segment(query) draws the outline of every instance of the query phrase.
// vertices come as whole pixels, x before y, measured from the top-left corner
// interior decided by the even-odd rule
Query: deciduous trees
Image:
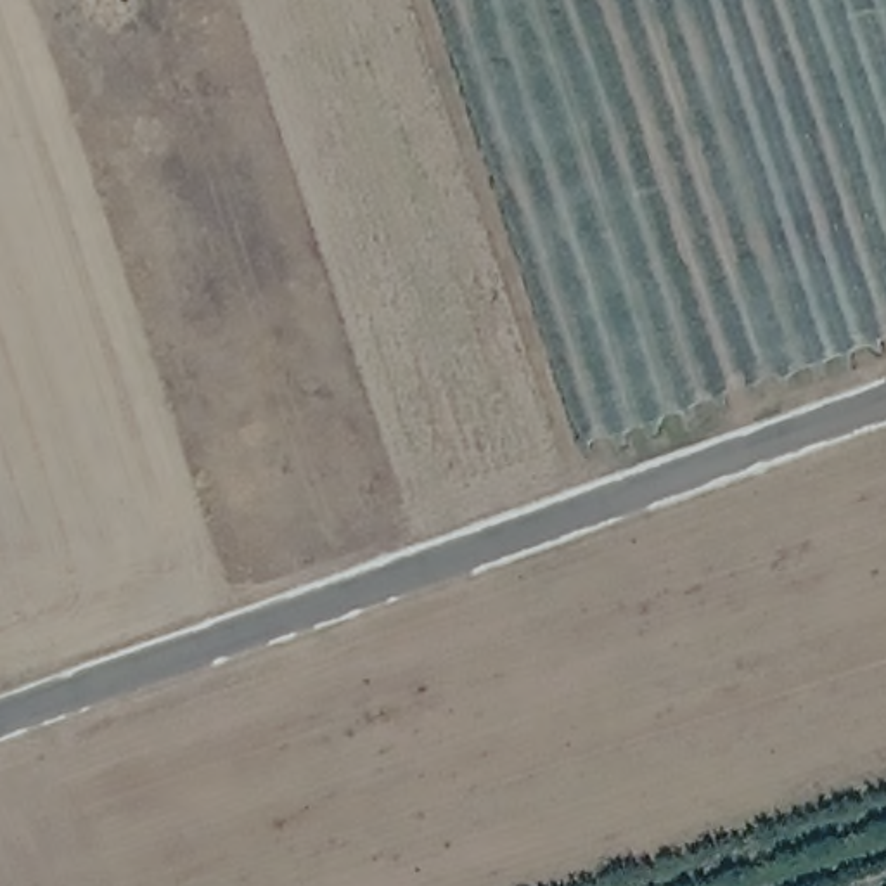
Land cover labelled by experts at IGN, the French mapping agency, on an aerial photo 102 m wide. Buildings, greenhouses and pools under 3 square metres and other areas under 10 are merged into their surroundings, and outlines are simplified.
[[[474,80],[481,87],[485,111],[491,121],[491,135],[502,149],[505,177],[523,211],[540,280],[557,332],[564,339],[571,377],[588,419],[588,436],[613,450],[613,460],[620,467],[640,464],[647,457],[730,429],[730,398],[723,395],[723,388],[741,391],[748,381],[761,384],[772,374],[793,377],[799,370],[824,370],[831,360],[851,360],[855,350],[886,346],[886,0],[453,0],[464,48],[474,66]]]
[[[838,803],[831,810],[779,827],[761,827],[744,841],[723,838],[720,844],[661,858],[654,865],[606,865],[599,865],[595,872],[581,872],[571,886],[886,886],[886,824],[872,824],[869,831],[841,841],[817,841],[782,858],[775,855],[775,844],[810,834],[817,827],[841,827],[862,820],[869,810],[886,810],[886,793],[862,796],[855,803]]]

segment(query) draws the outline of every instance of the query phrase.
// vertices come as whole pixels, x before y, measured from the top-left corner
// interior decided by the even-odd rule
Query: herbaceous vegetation
[[[744,841],[761,827],[779,827],[831,810],[838,803],[855,803],[862,796],[886,793],[886,779],[869,782],[865,789],[838,789],[793,810],[761,813],[744,827],[709,831],[689,844],[658,848],[651,855],[620,855],[606,865],[654,865],[661,858],[720,844],[723,838]]]
[[[481,87],[474,80],[474,66],[464,48],[453,0],[433,0],[450,69],[464,97],[474,145],[488,170],[488,187],[498,201],[505,239],[523,270],[523,287],[530,294],[533,318],[550,356],[554,384],[568,412],[571,436],[575,443],[588,436],[588,419],[571,377],[564,339],[557,332],[540,280],[523,211],[505,177],[502,149],[491,135],[491,121],[485,111]]]
[[[775,844],[775,855],[782,858],[817,841],[841,841],[869,831],[872,824],[886,824],[886,810],[869,810],[862,820],[841,827],[817,827],[810,834]]]
[[[883,384],[886,384],[886,346],[855,350],[851,360],[831,360],[824,370],[799,370],[793,377],[772,374],[761,384],[748,381],[741,391],[723,388],[723,395],[730,398],[730,429],[772,419],[793,405],[851,388],[865,377],[879,377]]]

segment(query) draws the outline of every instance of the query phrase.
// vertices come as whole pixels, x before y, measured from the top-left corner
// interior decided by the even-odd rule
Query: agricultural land
[[[761,813],[793,810],[838,789],[865,789],[869,782],[886,779],[886,429],[858,436],[817,457],[765,471],[758,478],[706,491],[661,512],[651,512],[647,505],[613,516],[613,526],[575,543],[561,543],[547,554],[516,561],[498,571],[471,571],[460,571],[446,581],[433,581],[426,588],[388,595],[374,606],[318,620],[305,630],[277,633],[263,644],[211,658],[194,671],[149,682],[135,692],[87,703],[80,709],[55,713],[0,734],[0,886],[571,886],[581,872],[595,872],[599,865],[606,865],[620,855],[651,855],[658,848],[689,844],[709,831],[744,827]]]
[[[464,97],[450,69],[433,0],[0,0],[0,703],[59,682],[55,675],[73,665],[166,637],[201,620],[222,616],[235,606],[260,602],[263,595],[284,592],[298,581],[329,575],[336,568],[350,568],[356,561],[377,557],[415,540],[440,536],[446,530],[554,495],[561,488],[581,485],[620,467],[613,460],[613,450],[588,436],[575,443],[571,436],[568,412],[554,384],[550,356],[533,318],[530,294],[523,287],[523,270],[505,239],[498,201],[488,187],[488,170],[474,145]]]

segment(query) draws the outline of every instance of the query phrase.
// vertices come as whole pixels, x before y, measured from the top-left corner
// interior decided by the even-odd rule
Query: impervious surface
[[[741,471],[748,464],[886,419],[886,384],[883,384],[876,391],[779,422],[754,436],[720,443],[713,450],[671,460],[665,467],[606,485],[599,491],[540,509],[533,516],[481,530],[474,536],[422,550],[415,557],[356,575],[350,581],[266,606],[260,613],[218,623],[211,630],[128,654],[121,661],[59,682],[0,703],[0,734],[55,713],[80,709],[87,703],[135,692],[149,682],[194,671],[211,658],[263,644],[277,633],[305,630],[318,620],[374,606],[388,595],[426,588],[433,581],[446,581],[460,571],[471,571],[474,564],[495,561],[502,554],[533,547],[540,540],[613,516],[647,505],[654,498],[696,488],[709,478]]]

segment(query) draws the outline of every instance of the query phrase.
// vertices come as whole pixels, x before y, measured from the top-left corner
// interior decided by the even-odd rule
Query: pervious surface
[[[284,592],[263,595],[260,602],[235,606],[222,616],[201,620],[166,637],[73,665],[55,675],[59,682],[121,661],[128,654],[211,630],[218,623],[260,613],[266,606],[350,581],[356,575],[415,557],[422,550],[474,536],[481,530],[533,516],[540,509],[599,491],[606,485],[665,467],[671,460],[713,450],[720,443],[754,436],[779,422],[876,391],[883,384],[879,377],[865,377],[851,388],[793,405],[772,419],[730,429],[647,457],[640,464],[620,467],[581,485],[561,488],[554,495],[446,530],[440,536],[415,540],[377,557],[356,561],[350,568],[336,568],[329,575],[298,581]]]
[[[613,516],[540,540],[533,547],[502,554],[495,561],[474,564],[471,571],[498,571],[516,561],[547,554],[561,543],[575,543],[613,526]]]
[[[696,488],[654,498],[647,505],[651,512],[661,512],[706,491],[758,478],[765,471],[817,457],[858,436],[886,429],[886,419],[748,464],[741,471],[709,478]]]

